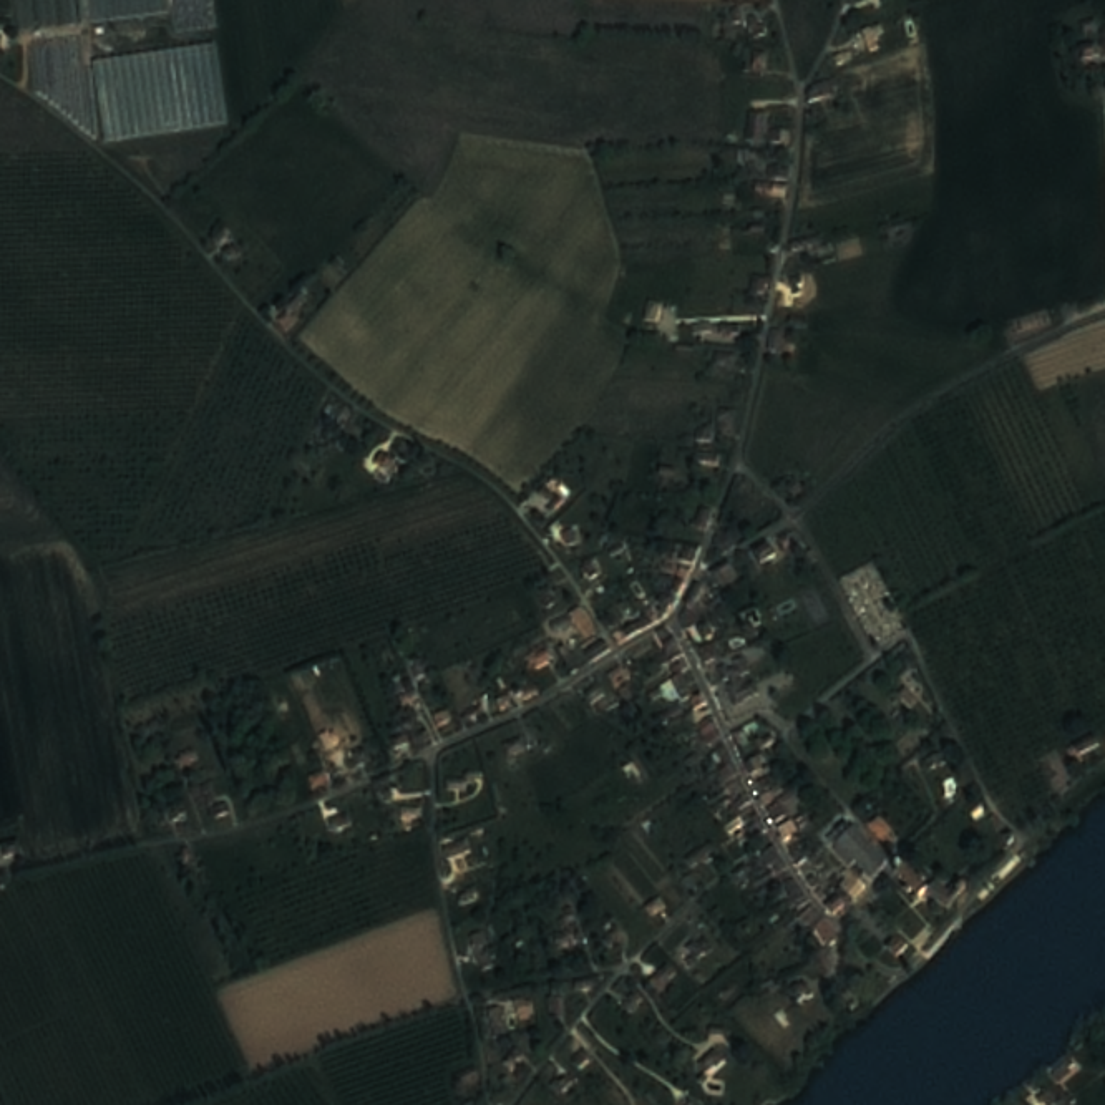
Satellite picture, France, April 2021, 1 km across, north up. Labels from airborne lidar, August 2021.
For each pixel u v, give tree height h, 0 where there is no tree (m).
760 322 6
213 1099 19
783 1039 0
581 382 0
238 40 0
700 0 0
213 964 0
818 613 0
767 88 0
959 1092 0
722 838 0
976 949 0
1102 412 0
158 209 0
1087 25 0
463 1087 17
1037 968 0
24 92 0
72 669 0
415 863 0
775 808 0
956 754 13
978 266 0
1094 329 0
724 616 12
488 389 0
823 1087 0
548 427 0
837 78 0
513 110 0
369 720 7
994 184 0
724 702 0
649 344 10
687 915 0
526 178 0
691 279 0
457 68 0
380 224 0
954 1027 0
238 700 15
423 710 7
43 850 0
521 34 0
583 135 0
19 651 0
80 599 0
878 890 9
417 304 0
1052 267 0
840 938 14
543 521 10
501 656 8
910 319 0
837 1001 21
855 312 0
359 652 6
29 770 0
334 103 6
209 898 8
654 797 0
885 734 15
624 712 7
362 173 0
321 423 9
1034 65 0
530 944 7
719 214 7
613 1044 0
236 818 0
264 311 9
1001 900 0
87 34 0
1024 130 0
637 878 0
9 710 0
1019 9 0
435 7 0
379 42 0
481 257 0
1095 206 0
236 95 0
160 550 8
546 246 0
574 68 0
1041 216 0
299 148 0
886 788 8
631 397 0
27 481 6
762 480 0
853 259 0
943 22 0
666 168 0
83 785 0
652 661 6
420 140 0
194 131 0
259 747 15
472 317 0
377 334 0
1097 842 0
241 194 0
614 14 0
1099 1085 0
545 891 12
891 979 0
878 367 0
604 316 0
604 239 0
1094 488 0
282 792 17
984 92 0
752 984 6
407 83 0
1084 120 0
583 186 0
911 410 0
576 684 0
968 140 0
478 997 8
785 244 7
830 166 0
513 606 0
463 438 0
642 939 0
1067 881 0
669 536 6
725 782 0
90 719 0
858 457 0
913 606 9
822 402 0
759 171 8
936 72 0
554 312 0
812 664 0
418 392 0
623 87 0
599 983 18
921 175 0
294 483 10
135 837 0
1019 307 0
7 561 0
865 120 0
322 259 0
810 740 16
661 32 12
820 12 0
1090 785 0
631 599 6
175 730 0
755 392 0
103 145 0
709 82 0
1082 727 17
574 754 0
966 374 0
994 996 0
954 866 0
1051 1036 0
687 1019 0
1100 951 0
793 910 6
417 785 0
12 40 6
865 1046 0
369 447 10
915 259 0
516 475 0
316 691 0
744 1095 0
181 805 14
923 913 0
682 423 0
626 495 7
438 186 0
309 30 0
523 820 0
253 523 8
